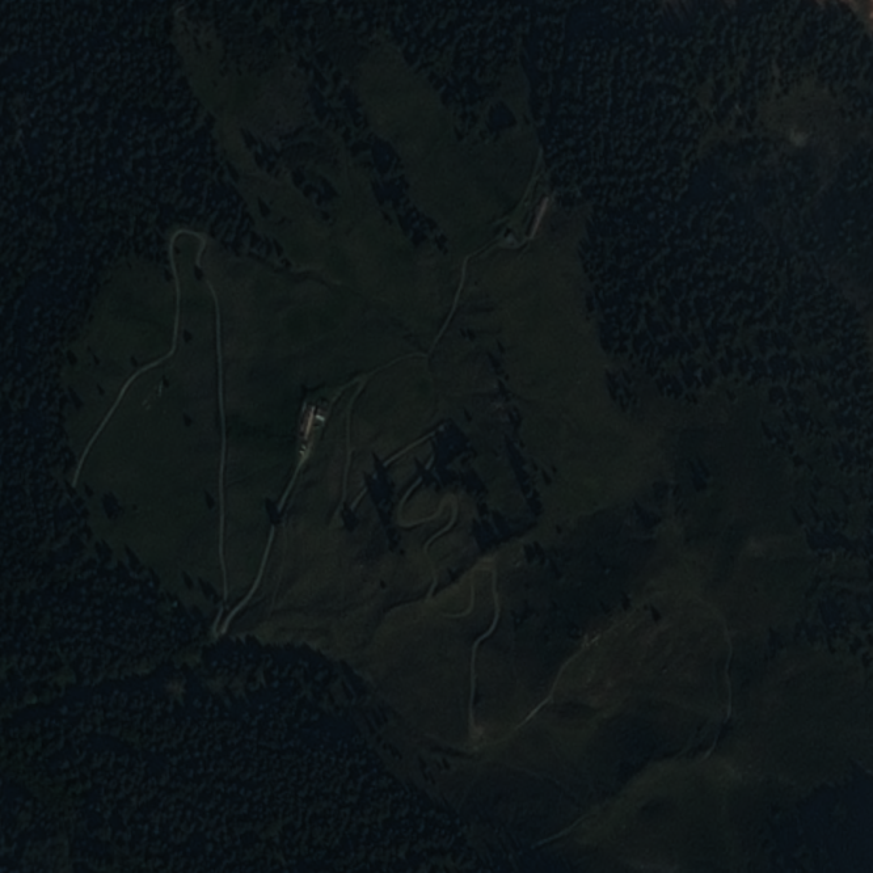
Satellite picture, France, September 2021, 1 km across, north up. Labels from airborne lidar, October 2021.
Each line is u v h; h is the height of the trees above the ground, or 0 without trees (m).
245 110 0
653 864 0
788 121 0
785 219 0
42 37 30
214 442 0
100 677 29
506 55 27
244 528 0
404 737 0
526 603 0
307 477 0
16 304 24
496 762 0
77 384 0
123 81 21
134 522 0
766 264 17
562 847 0
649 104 25
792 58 10
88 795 7
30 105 29
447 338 0
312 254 0
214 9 6
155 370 0
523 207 0
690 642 0
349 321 0
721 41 20
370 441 0
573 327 0
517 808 0
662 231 13
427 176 0
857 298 0
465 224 0
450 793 0
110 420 0
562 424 0
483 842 0
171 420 0
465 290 0
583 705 0
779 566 0
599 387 0
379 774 17
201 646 9
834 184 0
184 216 10
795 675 0
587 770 0
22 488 26
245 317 0
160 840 13
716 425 0
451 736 0
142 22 23
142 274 0
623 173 7
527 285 0
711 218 20
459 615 0
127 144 31
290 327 0
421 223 20
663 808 0
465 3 17
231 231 22
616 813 0
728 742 0
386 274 0
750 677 0
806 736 0
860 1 0
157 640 24
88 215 15
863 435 11
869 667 13
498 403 0
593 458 0
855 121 7
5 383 31
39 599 13
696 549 0
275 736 25
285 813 27
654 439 0
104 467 0
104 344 0
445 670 0
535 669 0
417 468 0
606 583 0
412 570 0
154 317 0
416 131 0
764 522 0
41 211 9
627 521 0
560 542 0
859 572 0
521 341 0
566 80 18
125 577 15
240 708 0
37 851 9
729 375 19
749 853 0
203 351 0
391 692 0
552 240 0
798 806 0
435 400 0
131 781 29
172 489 0
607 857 0
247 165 0
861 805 0
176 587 0
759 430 0
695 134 19
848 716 0
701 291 20
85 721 23
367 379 0
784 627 0
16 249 21
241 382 0
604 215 12
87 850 6
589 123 22
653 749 0
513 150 0
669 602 0
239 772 28
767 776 0
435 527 0
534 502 14
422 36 22
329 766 25
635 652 0
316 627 0
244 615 0
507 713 0
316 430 0
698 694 0
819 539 0
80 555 32
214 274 0
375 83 0
